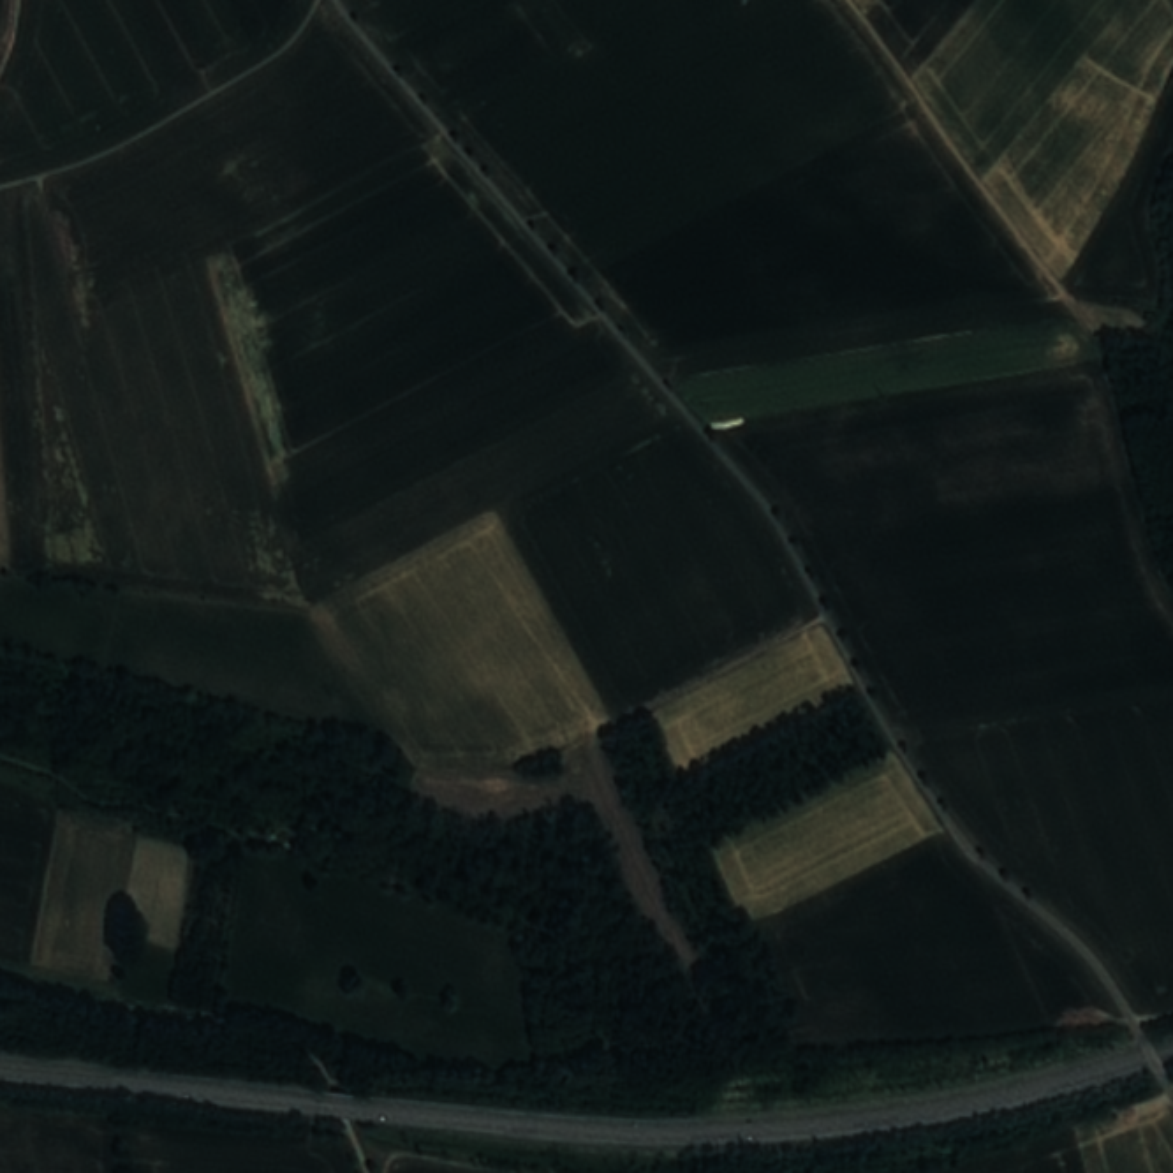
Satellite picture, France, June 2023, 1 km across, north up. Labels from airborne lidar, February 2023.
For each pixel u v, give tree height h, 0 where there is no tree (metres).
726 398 0
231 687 0
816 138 0
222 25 0
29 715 19
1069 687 0
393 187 0
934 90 0
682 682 0
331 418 0
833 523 0
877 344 0
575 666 0
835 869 0
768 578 0
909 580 0
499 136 0
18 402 0
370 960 0
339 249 0
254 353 0
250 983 0
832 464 0
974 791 0
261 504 0
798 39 0
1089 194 0
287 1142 0
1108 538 0
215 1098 0
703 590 0
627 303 0
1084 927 0
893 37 0
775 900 0
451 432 0
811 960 0
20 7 0
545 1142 0
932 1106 0
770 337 0
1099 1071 0
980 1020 0
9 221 0
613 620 0
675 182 0
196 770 9
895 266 0
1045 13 0
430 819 23
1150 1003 0
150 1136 0
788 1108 0
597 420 0
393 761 15
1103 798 0
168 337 0
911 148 0
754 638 0
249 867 0
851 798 0
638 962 17
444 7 0
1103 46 0
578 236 0
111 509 0
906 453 0
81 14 0
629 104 0
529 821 9
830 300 0
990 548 0
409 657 0
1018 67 0
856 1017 0
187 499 0
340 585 0
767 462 0
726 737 0
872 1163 9
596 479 0
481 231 0
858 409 0
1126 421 14
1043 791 0
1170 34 0
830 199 0
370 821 26
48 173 0
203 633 0
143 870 0
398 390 0
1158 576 0
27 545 0
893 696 0
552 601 0
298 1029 18
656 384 0
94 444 0
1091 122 0
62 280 0
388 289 0
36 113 0
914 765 0
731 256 0
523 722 0
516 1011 0
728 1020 23
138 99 0
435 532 0
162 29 0
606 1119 0
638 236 0
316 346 0
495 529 0
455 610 0
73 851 0
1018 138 0
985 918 0
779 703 0
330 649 0
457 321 0
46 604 0
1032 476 0
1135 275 0
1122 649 0
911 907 0
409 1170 0
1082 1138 0
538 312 0
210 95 0
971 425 0
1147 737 0
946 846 0
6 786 0
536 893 7
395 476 0
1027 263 0
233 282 0
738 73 0
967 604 0
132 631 0
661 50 0
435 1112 0
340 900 0
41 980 0
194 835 13
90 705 20
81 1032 19
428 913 0
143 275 0
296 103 0
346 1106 0
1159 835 0
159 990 0
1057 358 0
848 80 0
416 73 0
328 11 0
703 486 0
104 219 0
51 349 0
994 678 0
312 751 19
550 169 0
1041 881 0
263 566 0
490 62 0
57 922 0
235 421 0
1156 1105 0
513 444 0
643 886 0
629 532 0
